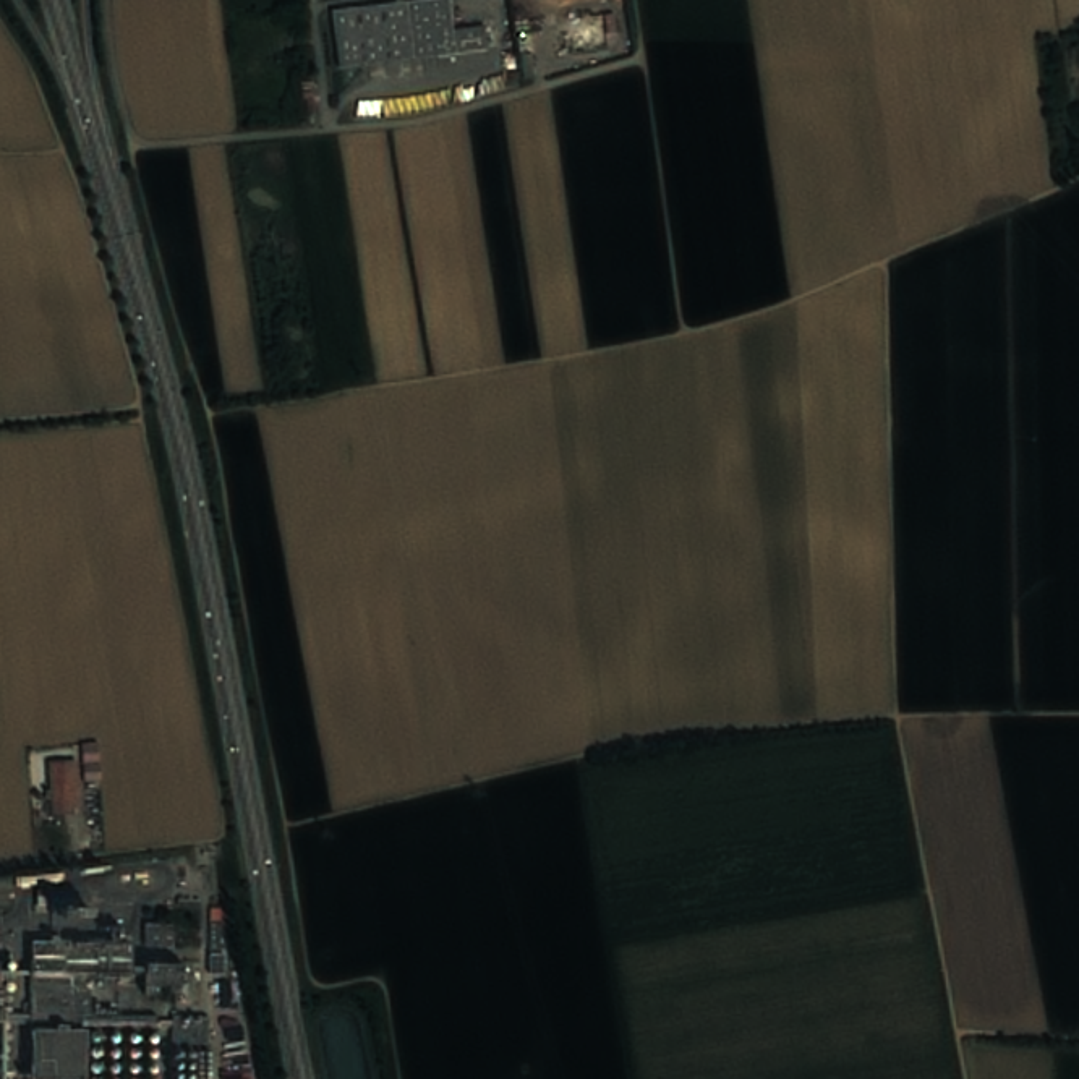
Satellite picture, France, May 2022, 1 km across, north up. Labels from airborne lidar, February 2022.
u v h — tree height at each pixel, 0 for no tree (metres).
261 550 0
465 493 0
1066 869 0
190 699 0
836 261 0
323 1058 0
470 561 0
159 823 0
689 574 0
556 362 0
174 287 0
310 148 0
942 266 0
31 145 0
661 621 0
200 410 0
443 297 0
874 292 0
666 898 0
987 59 0
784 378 0
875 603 0
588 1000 0
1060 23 0
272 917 0
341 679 0
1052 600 0
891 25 0
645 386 0
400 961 0
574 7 0
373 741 0
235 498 0
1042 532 0
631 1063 0
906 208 0
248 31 0
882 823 0
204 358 0
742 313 0
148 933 0
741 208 0
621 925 0
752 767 0
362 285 0
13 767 0
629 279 0
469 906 0
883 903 0
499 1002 0
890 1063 0
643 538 0
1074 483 0
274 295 0
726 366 0
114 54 0
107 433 0
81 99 0
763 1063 0
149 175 0
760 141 0
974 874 0
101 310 0
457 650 0
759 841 0
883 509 0
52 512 0
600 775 0
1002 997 0
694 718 0
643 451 0
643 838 0
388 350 0
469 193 0
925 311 0
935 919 0
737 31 0
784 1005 0
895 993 0
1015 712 0
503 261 0
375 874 0
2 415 0
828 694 0
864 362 0
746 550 0
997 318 0
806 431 0
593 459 0
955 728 0
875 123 0
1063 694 0
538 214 0
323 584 0
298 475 0
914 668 0
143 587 0
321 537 0
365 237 0
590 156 0
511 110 0
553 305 0
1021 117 0
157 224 0
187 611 0
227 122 0
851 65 0
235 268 0
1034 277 0
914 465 0
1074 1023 0
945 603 0
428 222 0
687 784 0
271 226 0
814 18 0
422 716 0
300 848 0
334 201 0
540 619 0
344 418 0
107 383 0
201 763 0
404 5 0
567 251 0
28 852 0
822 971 0
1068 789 0
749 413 0
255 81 0
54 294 0
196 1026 0
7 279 0
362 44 0
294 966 0
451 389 0
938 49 0
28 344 0
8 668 0
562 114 0
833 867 0
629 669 0
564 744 0
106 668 0
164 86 0
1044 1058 0
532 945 0
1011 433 0
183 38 0
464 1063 0
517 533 0
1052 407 0
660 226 0
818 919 0
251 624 0
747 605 0
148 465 0
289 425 0
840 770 0
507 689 0
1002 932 0
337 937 0
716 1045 0
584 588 0
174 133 0
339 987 0
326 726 0
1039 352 0
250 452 0
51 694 0
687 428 0
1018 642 0
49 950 0
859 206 0
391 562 0
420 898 0
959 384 0
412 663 0
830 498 0
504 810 0
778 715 0
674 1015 0
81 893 0
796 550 0
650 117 0
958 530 0
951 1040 0
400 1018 0
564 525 0
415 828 0
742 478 0
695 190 0
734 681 0
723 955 0
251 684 0
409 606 0
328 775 0
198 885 0
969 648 0
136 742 0
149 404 9
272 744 0
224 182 0
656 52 0
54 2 0
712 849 0
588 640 0
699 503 0
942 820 0
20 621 0
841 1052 0
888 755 0
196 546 0
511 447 0
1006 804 0
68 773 0
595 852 0
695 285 0
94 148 0
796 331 0
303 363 0
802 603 0
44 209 0
